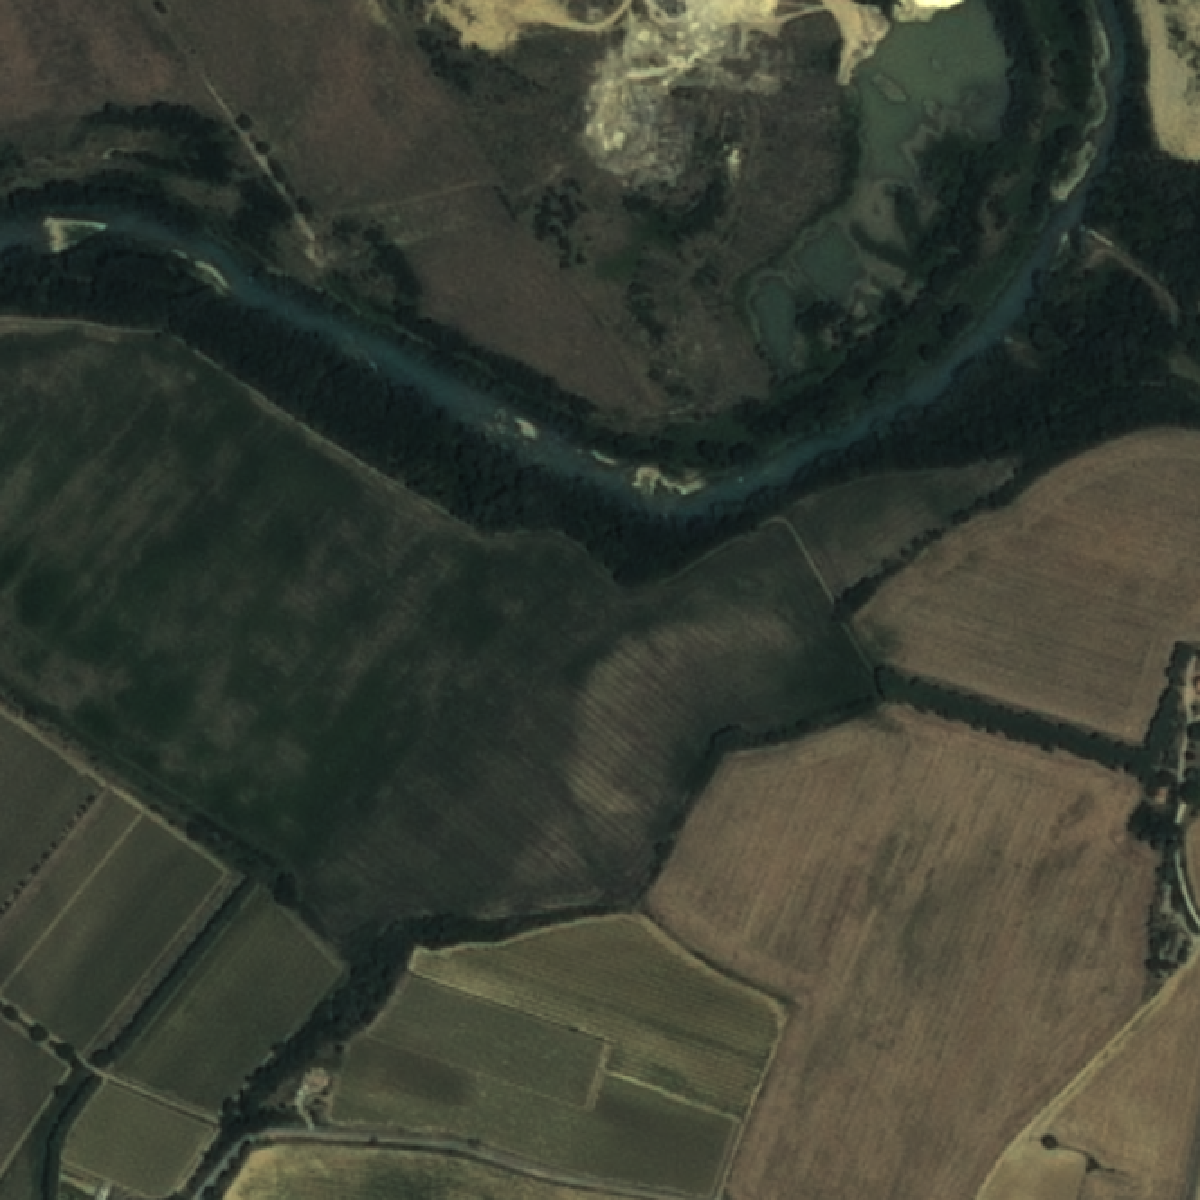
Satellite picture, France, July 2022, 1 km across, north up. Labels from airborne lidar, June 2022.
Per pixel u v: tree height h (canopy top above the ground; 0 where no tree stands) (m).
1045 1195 0
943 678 0
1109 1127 0
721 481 0
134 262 26
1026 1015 0
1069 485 0
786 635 0
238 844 7
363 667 0
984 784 0
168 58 0
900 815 0
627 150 0
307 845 0
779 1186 0
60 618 0
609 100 0
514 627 0
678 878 0
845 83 0
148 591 0
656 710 0
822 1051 0
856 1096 0
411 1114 0
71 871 0
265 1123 11
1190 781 11
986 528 0
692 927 0
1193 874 0
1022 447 8
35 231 0
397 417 18
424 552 0
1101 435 10
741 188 0
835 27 0
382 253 7
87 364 0
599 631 0
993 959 0
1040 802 0
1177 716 14
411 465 6
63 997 0
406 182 0
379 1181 0
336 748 0
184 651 0
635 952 0
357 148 0
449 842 0
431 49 8
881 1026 0
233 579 0
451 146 0
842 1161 0
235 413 0
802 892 0
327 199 0
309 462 0
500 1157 0
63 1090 8
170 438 0
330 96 0
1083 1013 0
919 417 15
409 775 0
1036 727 14
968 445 15
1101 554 0
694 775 0
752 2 0
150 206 23
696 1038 0
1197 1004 0
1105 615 0
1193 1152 0
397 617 0
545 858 0
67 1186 0
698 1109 0
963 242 16
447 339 22
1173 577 0
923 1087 0
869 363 8
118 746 0
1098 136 0
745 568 0
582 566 0
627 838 0
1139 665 0
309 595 0
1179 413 6
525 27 0
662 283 0
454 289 0
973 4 0
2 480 0
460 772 0
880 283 0
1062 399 10
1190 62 0
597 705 0
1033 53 8
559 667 0
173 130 11
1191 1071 0
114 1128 0
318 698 0
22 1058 0
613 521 13
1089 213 12
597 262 0
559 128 0
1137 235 6
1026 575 0
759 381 0
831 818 0
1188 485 0
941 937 0
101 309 15
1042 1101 0
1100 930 0
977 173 12
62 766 0
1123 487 0
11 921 0
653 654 0
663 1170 0
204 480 0
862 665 0
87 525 0
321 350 19
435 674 0
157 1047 0
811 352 0
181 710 0
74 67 0
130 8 0
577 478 0
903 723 0
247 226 9
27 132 0
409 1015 0
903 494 0
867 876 0
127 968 0
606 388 0
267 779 0
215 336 7
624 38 0
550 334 0
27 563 0
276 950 0
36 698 0
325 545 0
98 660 0
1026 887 0
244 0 0
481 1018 0
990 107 0
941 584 0
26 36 0
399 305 11
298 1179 0
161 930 0
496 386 14
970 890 0
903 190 7
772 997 0
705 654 0
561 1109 0
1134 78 10
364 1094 0
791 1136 0
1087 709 0
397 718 0
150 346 0
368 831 0
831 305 10
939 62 0
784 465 0
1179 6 0
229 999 0
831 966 0
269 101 0
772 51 0
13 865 0
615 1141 0
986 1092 0
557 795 0
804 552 0
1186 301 14
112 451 0
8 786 0
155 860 0
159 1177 0
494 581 0
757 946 0
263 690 0
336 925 0
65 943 0
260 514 0
